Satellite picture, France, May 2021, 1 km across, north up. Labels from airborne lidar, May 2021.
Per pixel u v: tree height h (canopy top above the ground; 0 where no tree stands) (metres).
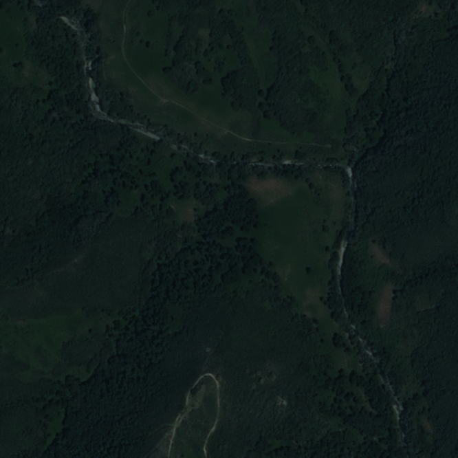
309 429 14
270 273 21
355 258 7
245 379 5
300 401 19
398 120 20
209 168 19
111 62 0
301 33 11
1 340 10
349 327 23
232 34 16
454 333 10
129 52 0
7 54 0
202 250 23
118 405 9
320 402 13
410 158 10
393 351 7
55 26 14
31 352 0
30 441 7
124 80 0
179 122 0
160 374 8
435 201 7
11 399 6
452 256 9
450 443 9
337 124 0
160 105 0
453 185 14
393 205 10
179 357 6
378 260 0
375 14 14
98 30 17
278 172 16
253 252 18
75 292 6
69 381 20
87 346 8
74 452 10
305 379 9
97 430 17
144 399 6
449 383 9
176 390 8
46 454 30
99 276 7
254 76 6
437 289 9
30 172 11
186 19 7
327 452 9
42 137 8
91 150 16
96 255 7
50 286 6
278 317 8
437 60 7
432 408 10
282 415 13
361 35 7
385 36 12
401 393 18
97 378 35
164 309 18
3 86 5
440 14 18
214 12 7
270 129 0
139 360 17
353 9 13
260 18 7
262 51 0
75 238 7
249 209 16
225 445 17
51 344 0
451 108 18
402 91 20
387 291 0
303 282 0
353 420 20
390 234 6
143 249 17
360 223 14
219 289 10
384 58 9
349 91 14
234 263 21
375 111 18
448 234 6
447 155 7
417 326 6
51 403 18
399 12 23
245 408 6
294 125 11
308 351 9
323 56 12
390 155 15
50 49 10
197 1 12
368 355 24
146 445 6
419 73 7
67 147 15
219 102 0
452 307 8
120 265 7
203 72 18
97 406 15
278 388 8
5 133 12
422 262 7
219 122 0
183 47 14
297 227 0
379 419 23
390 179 7
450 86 10
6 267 6
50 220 6
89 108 27
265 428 11
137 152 19
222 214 22
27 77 6
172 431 0
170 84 0
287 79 7
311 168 6
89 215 16
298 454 23
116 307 6
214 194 20
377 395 27
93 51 12
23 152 8
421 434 18
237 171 14
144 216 16
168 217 9
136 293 11
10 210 9
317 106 6
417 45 8
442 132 12
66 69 13
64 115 25
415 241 7
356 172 19
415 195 6
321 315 0
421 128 16
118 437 10
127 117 19
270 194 0
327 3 7
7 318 9
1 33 0
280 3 12
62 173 10
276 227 0
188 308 6
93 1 0
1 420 7
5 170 10
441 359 12
